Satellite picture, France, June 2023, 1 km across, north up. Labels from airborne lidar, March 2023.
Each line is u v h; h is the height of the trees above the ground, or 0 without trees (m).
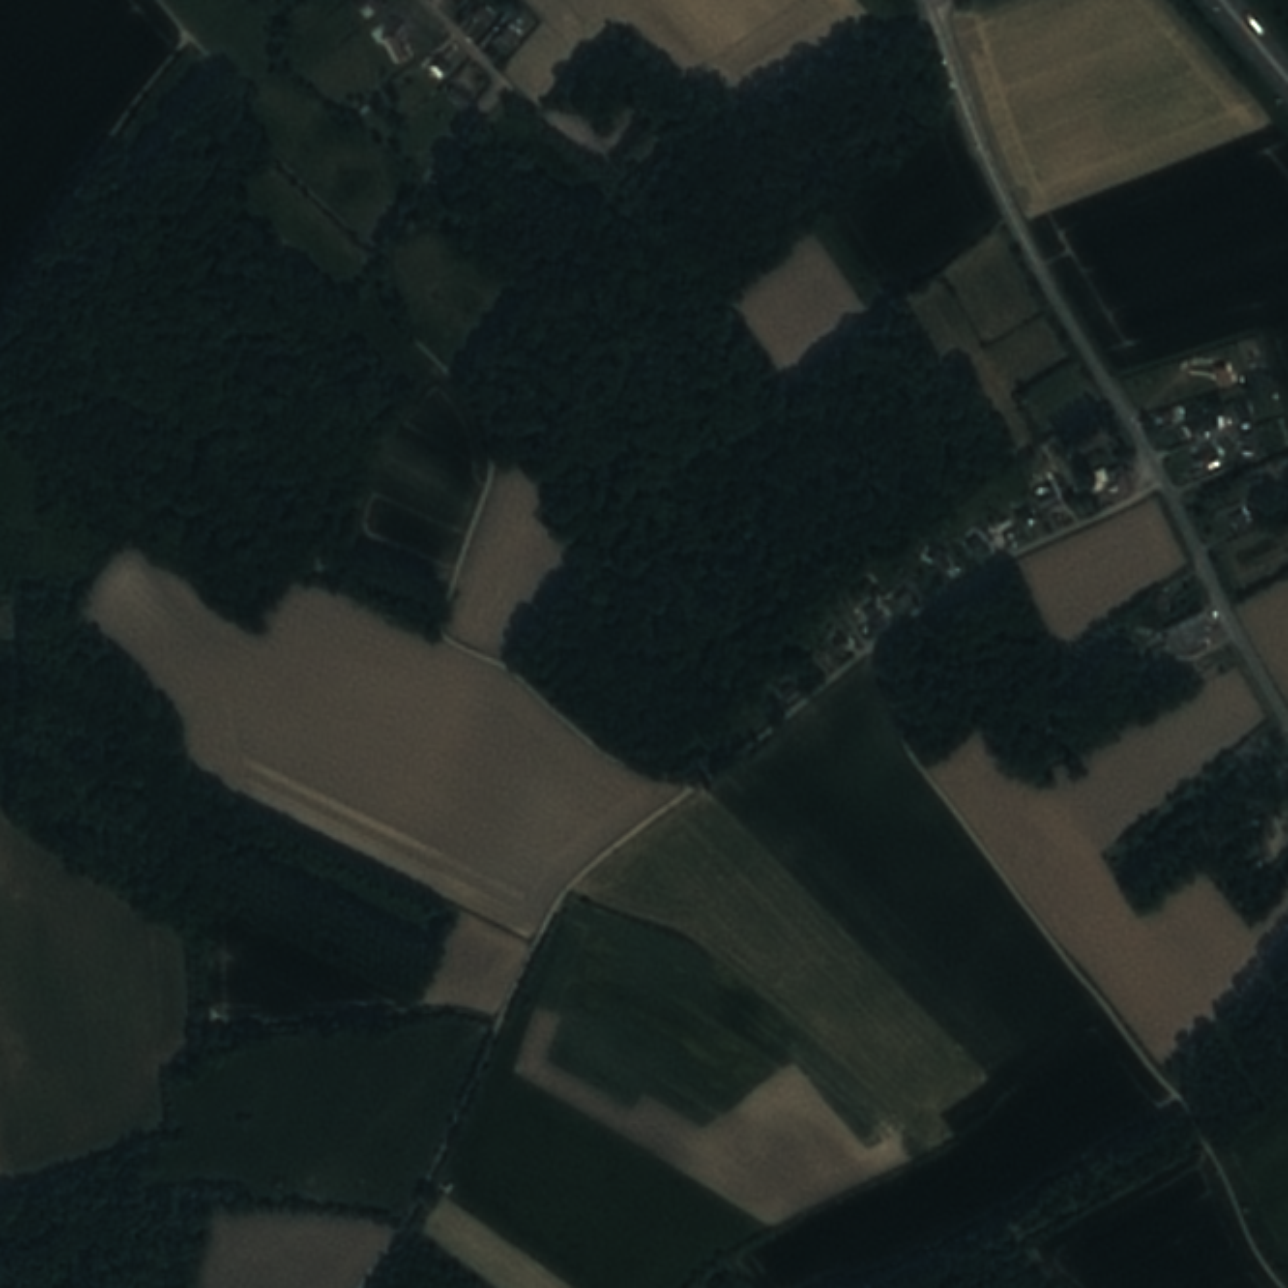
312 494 19
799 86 26
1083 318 0
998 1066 0
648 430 33
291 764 0
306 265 23
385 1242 0
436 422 0
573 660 24
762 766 0
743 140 28
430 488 0
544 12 0
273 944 0
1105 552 0
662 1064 0
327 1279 0
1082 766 21
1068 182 0
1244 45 0
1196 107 0
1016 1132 0
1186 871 19
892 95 27
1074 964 0
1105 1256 0
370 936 30
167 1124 10
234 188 27
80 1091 0
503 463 18
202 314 25
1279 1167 0
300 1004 0
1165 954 0
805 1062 0
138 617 0
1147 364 0
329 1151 0
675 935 0
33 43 0
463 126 16
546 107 7
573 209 22
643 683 26
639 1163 0
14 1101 0
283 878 31
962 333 0
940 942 0
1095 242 0
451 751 0
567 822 0
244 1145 0
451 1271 7
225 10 0
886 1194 0
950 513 15
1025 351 0
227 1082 0
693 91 19
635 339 20
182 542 26
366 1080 0
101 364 27
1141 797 0
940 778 0
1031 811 0
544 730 0
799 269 0
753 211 30
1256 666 0
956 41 0
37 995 0
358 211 0
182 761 22
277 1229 0
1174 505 0
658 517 24
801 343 0
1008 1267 18
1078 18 0
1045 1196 7
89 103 0
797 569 27
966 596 24
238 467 28
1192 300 0
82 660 24
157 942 0
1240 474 10
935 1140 0
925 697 24
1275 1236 0
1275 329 0
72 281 24
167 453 31
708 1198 0
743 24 0
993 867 0
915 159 0
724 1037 0
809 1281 0
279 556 24
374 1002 0
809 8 0
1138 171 0
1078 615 0
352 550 22
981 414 24
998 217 0
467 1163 0
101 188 21
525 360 28
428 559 0
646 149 0
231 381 26
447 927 9
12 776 21
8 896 0
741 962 0
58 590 9
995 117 0
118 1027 0
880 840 0
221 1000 0
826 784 0
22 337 25
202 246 23
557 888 0
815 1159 0
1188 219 0
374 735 0
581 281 23
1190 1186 0
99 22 0
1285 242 0
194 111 26
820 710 0
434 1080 0
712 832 0
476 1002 0
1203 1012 0
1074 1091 0
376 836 0
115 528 21
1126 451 16
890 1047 0
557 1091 0
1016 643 22
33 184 0
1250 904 11
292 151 0
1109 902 0
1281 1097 12
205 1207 19
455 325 0
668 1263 0
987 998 0
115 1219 26
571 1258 0
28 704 22
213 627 0
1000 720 29
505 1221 0
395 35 0
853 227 0
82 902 0
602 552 25
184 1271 22
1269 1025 19
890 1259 0
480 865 0
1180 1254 0
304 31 0
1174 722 0
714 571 25
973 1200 0
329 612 0
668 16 0
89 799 25
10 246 0
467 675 0
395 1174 0
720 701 27
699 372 30
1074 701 27
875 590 7
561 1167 0
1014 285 0
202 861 27
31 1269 31
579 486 26
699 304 22
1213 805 21
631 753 21
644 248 26
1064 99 0
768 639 26
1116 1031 0
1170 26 0
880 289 0
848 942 0
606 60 22
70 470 22
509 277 16
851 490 26
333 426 33
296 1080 0
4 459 0
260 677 0
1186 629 0
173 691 0
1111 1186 6
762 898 0
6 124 0
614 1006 0
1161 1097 0
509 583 0
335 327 19
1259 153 0
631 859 0
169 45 0
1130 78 0
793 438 29
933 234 0
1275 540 0
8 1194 26
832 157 29
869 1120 0
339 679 0
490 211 26
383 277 8
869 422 29
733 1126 0
